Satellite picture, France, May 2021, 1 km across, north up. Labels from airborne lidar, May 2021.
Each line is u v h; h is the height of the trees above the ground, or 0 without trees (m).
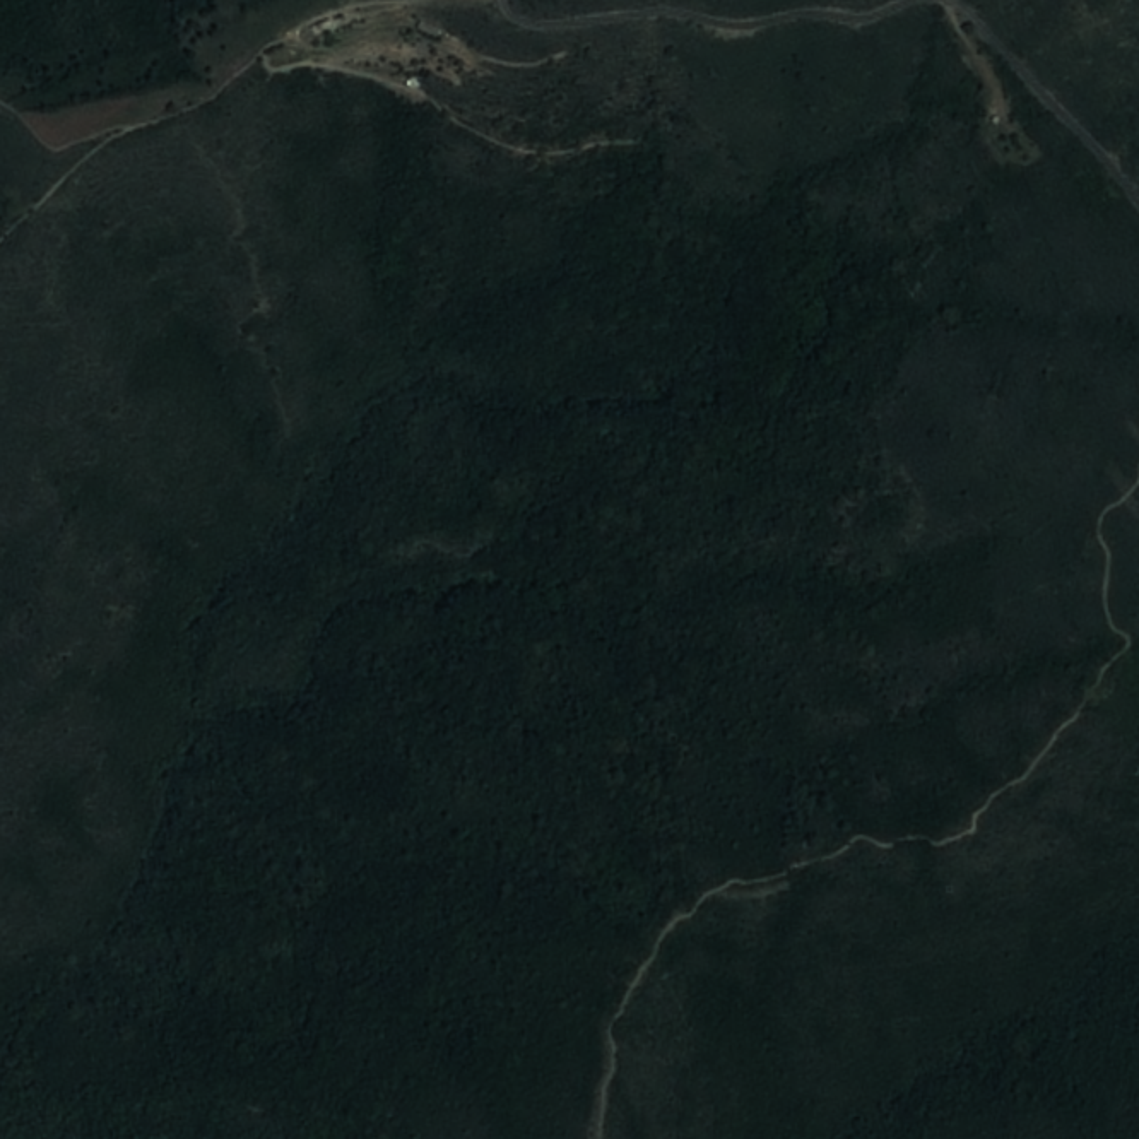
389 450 8
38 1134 10
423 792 6
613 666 19
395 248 13
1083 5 0
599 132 10
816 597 15
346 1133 7
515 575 17
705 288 9
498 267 6
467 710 11
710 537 11
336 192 6
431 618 15
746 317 15
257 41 0
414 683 15
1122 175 0
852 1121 7
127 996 12
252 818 15
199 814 8
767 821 6
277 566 15
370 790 16
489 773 8
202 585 11
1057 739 0
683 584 13
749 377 7
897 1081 6
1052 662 8
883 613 8
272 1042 8
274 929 11
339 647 14
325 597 7
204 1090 7
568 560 15
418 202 9
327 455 13
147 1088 5
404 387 12
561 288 13
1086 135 0
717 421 17
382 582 15
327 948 11
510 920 15
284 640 8
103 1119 8
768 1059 6
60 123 0
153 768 12
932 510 0
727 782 7
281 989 8
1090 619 0
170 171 0
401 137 7
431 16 0
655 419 16
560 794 8
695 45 0
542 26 0
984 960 6
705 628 11
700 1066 5
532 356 6
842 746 11
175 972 10
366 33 0
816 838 17
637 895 6
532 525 17
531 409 20
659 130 9
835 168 12
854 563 9
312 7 0
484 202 6
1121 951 11
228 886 18
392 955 12
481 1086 5
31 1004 15
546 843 8
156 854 15
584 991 6
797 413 11
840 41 0
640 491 15
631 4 0
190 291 7
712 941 7
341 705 18
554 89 7
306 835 13
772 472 7
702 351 20
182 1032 13
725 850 5
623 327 8
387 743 11
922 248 11
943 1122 8
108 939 14
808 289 8
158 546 7
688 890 7
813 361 10
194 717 14
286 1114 7
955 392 0
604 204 13
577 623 22
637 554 8
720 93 0
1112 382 0
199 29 8
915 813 6
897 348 5
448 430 10
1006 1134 6
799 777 14
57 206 0
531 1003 7
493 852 13
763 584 10
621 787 7
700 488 10
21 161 0
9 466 0
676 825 13
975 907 6
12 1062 11
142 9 7
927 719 8
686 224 11
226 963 11
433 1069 7
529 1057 8
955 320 11
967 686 9
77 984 13
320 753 15
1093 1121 8
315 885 12
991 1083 13
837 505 9
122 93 6
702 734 9
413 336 14
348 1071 6
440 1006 6
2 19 7
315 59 0
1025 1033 15
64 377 0
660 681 13
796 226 11
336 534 14
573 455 13
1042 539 0
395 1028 8
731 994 7
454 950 11
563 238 9
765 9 0
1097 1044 9
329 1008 14
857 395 7
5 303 0
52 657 7
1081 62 0
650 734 6
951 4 0
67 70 7
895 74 0
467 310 18
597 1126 0
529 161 10
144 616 6
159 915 11
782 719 6
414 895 15
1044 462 0
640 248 8
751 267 17
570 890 13
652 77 10
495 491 6
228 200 0
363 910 13
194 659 15
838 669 7
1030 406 0
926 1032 7
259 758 10
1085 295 0
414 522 7
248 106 0
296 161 6
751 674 6
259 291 0
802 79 11
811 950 5
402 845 9
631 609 16
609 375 13
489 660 15
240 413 9
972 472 0
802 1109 6
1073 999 8
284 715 20
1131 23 0
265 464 11
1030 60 0
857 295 12
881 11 0
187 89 0
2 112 0
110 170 0
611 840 8
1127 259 0
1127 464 0
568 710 9
